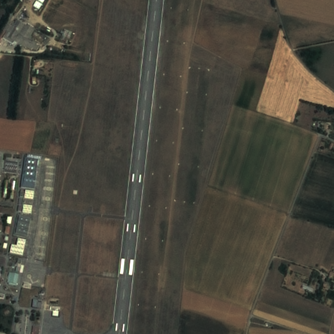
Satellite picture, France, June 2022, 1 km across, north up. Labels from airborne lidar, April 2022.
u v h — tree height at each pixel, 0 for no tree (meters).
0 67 0
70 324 0
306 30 0
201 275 0
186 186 0
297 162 0
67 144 0
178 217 0
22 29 0
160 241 0
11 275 0
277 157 0
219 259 0
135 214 0
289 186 0
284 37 7
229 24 0
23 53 9
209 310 0
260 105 0
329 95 0
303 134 0
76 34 0
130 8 0
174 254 0
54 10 0
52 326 0
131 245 0
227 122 0
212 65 0
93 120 0
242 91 0
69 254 0
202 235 0
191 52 0
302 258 0
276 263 0
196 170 0
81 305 0
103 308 0
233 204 0
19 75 10
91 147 0
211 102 0
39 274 0
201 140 0
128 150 0
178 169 0
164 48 0
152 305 0
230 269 0
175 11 0
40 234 0
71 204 0
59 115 0
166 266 0
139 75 0
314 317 0
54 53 9
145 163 0
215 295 0
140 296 0
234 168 0
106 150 0
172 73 0
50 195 0
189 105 0
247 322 0
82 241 0
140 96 0
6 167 0
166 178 0
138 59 0
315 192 0
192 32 0
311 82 0
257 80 0
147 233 0
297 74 0
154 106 0
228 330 0
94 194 0
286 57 0
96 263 0
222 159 0
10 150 0
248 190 0
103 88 0
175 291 0
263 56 0
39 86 0
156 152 0
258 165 0
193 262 0
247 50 0
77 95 0
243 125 0
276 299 0
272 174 0
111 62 0
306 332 0
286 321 0
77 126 0
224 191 0
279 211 0
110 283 0
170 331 0
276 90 0
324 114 0
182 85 0
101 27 0
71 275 0
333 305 0
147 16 0
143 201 0
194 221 0
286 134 0
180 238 0
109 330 0
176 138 0
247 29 0
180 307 0
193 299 0
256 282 0
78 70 0
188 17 0
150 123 0
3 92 0
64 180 0
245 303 0
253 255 0
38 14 0
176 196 0
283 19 0
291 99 0
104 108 0
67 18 0
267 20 0
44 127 0
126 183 0
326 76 0
